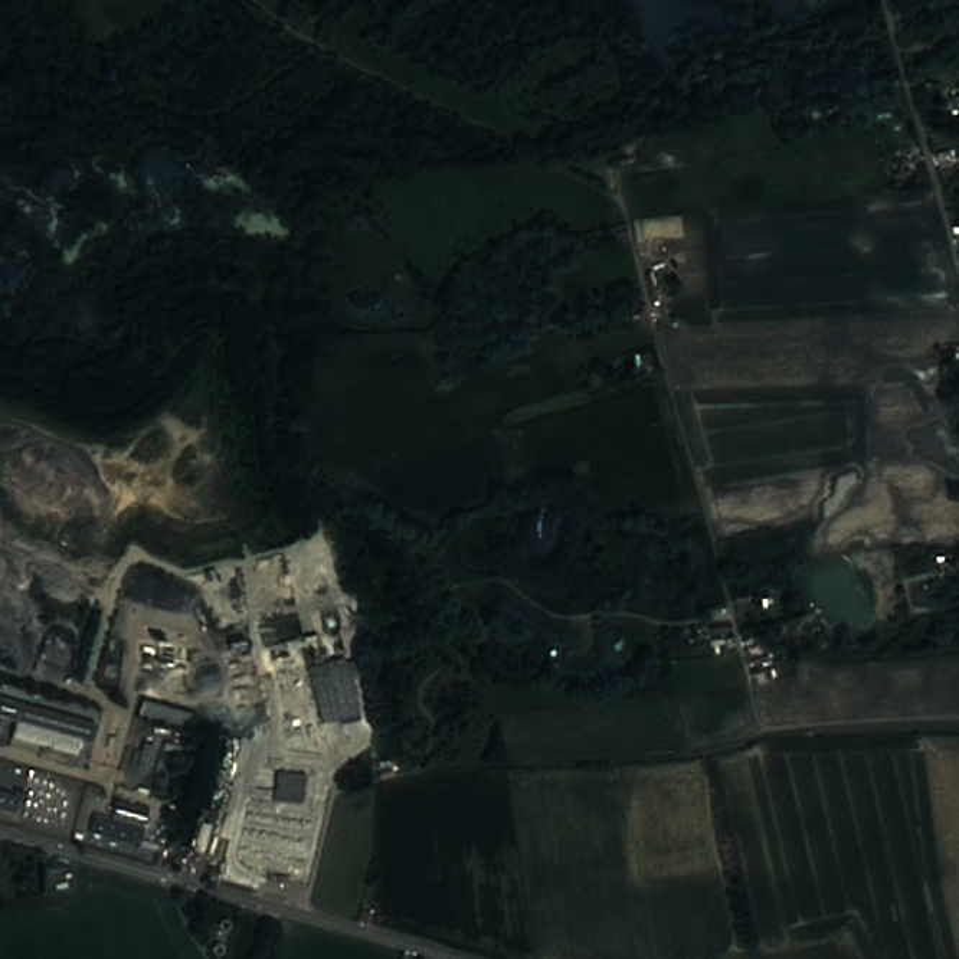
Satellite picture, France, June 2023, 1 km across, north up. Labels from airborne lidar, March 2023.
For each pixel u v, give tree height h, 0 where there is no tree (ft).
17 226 88
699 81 53
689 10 0
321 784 0
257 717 0
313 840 0
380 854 0
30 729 0
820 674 0
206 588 0
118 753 0
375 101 101
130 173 0
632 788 0
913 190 37
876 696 0
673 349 0
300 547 0
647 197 0
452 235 0
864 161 0
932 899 0
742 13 70
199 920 45
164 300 19
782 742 0
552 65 0
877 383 0
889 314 0
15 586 0
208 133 54
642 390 0
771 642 25
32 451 0
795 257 0
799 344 0
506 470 0
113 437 0
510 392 0
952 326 0
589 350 0
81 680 19
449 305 76
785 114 32
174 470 0
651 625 0
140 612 0
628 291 54
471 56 68
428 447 0
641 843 0
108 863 0
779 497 0
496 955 0
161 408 0
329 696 0
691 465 0
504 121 0
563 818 0
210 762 90
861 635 0
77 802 0
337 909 0
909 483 0
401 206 0
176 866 49
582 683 66
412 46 52
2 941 0
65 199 38
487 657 41
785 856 0
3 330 57
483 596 0
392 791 0
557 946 0
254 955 27
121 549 0
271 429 31
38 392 28
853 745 0
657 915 0
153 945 0
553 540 0
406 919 0
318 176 86
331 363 0
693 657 0
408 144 108
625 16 50
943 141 0
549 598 0
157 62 92
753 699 0
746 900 31
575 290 0
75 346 22
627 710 0
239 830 0
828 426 0
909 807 0
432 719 0
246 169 79
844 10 83
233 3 92
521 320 41
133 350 54
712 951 0
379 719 70
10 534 0
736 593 41
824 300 0
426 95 0
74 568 0
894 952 0
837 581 0
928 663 0
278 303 58
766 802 0
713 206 0
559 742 0
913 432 0
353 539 33
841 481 0
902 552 20
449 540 19
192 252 52
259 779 0
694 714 0
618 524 21
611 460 0
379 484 0
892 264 0
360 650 73
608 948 0
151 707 0
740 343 0
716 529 0
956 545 0
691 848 0
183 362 23
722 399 0
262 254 48
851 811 0
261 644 0
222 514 0
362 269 0
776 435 0
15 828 0
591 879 0
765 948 0
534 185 0
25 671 0
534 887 0
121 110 18
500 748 44
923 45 0
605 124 66
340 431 0
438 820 0
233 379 34
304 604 0
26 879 22
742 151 0
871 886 0
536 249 73
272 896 0
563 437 0
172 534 0
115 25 0
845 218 0
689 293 0
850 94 45
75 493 0
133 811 0
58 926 0
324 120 84
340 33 0
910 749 0
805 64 59
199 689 0
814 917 0
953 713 0
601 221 0
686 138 0
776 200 0
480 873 0
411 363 0
